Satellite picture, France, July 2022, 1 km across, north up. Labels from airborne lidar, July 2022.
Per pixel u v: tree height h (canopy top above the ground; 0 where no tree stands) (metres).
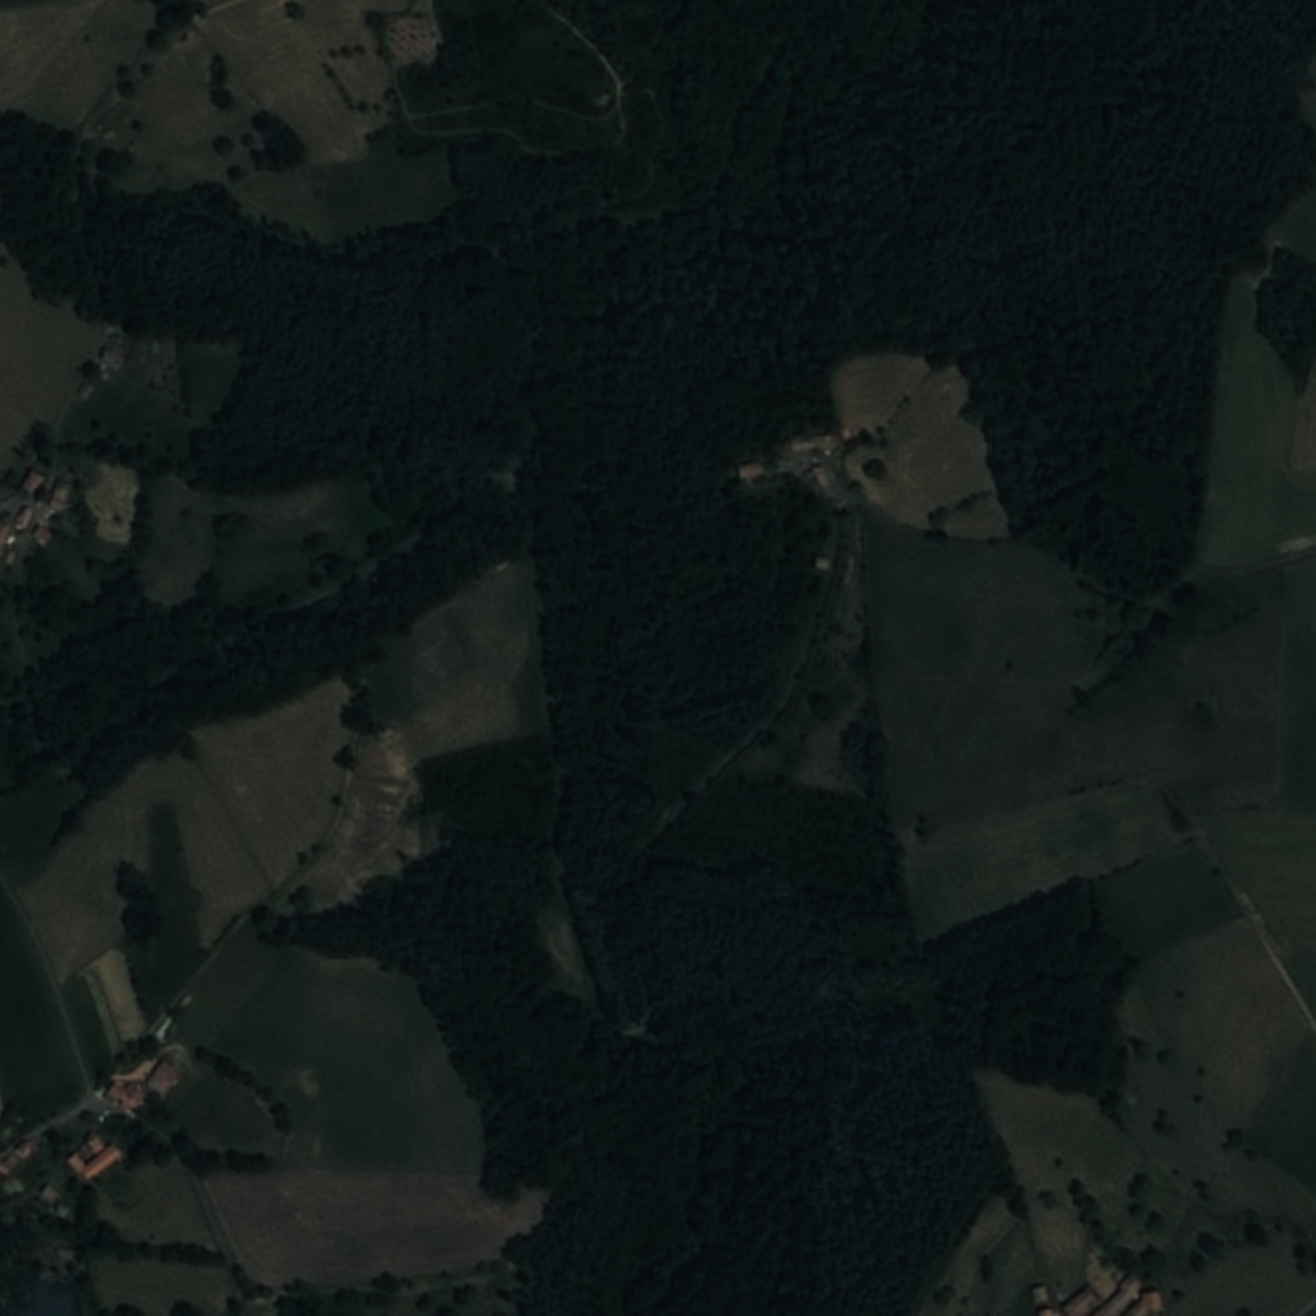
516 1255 18
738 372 29
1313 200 0
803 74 22
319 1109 0
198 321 22
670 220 20
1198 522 11
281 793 0
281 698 19
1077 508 24
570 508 26
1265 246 9
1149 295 25
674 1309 26
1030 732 0
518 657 0
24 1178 0
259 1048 0
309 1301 14
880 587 0
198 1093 0
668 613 19
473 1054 18
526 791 6
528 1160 14
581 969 0
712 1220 29
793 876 9
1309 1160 0
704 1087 23
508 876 20
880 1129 35
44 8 0
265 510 0
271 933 8
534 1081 31
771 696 23
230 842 0
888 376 0
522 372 24
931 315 21
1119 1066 6
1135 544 27
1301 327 11
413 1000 0
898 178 33
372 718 10
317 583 17
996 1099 0
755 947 24
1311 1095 0
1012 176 32
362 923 20
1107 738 0
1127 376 24
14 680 6
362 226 0
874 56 12
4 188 13
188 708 28
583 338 26
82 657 29
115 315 16
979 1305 0
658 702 8
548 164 18
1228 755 0
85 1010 0
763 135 27
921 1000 0
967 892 0
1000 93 30
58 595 24
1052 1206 9
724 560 24
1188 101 18
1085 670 0
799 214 41
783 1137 24
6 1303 34
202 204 8
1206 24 18
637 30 5
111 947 0
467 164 24
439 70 14
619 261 20
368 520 0
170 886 0
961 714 0
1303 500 0
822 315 33
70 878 0
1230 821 0
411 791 0
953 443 0
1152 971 0
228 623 22
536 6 6
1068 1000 23
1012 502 22
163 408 0
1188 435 19
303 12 12
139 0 9
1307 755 0
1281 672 0
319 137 0
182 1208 0
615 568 17
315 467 20
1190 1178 0
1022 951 26
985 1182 25
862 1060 32
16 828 0
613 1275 26
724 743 22
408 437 17
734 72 26
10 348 0
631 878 15
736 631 9
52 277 24
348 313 7
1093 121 32
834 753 0
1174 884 0
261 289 24
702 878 23
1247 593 0
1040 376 15
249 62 0
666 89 6
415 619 18
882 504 0
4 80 0
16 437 0
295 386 18
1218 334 16
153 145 0
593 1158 23
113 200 24
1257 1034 0
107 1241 20
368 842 0
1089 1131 0
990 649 0
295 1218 0
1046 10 24
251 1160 12
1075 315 28
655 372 22
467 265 35
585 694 24
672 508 18
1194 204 18
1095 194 22
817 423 12
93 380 14
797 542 7
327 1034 0
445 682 0
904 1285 28
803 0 21
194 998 0
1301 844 0
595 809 27
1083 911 21
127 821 0
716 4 24
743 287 26
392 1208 0
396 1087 0
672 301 30
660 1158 27
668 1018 23
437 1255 0
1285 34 19
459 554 20
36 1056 0
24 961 0
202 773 0
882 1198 27
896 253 37
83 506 6
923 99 28
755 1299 36
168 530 0
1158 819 0
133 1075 0
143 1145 14
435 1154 0
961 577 0
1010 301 27
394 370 24
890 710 0
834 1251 34
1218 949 0
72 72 0
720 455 16
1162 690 0
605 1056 33
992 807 0
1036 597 0
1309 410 0
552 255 25
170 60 0
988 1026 26
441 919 24
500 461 23
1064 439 22
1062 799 0
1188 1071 0
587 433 28
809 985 20
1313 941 0
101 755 20
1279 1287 0
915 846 0
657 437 25
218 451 22
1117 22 23
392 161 0
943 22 34
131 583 17
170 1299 0
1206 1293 0
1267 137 18
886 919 22
